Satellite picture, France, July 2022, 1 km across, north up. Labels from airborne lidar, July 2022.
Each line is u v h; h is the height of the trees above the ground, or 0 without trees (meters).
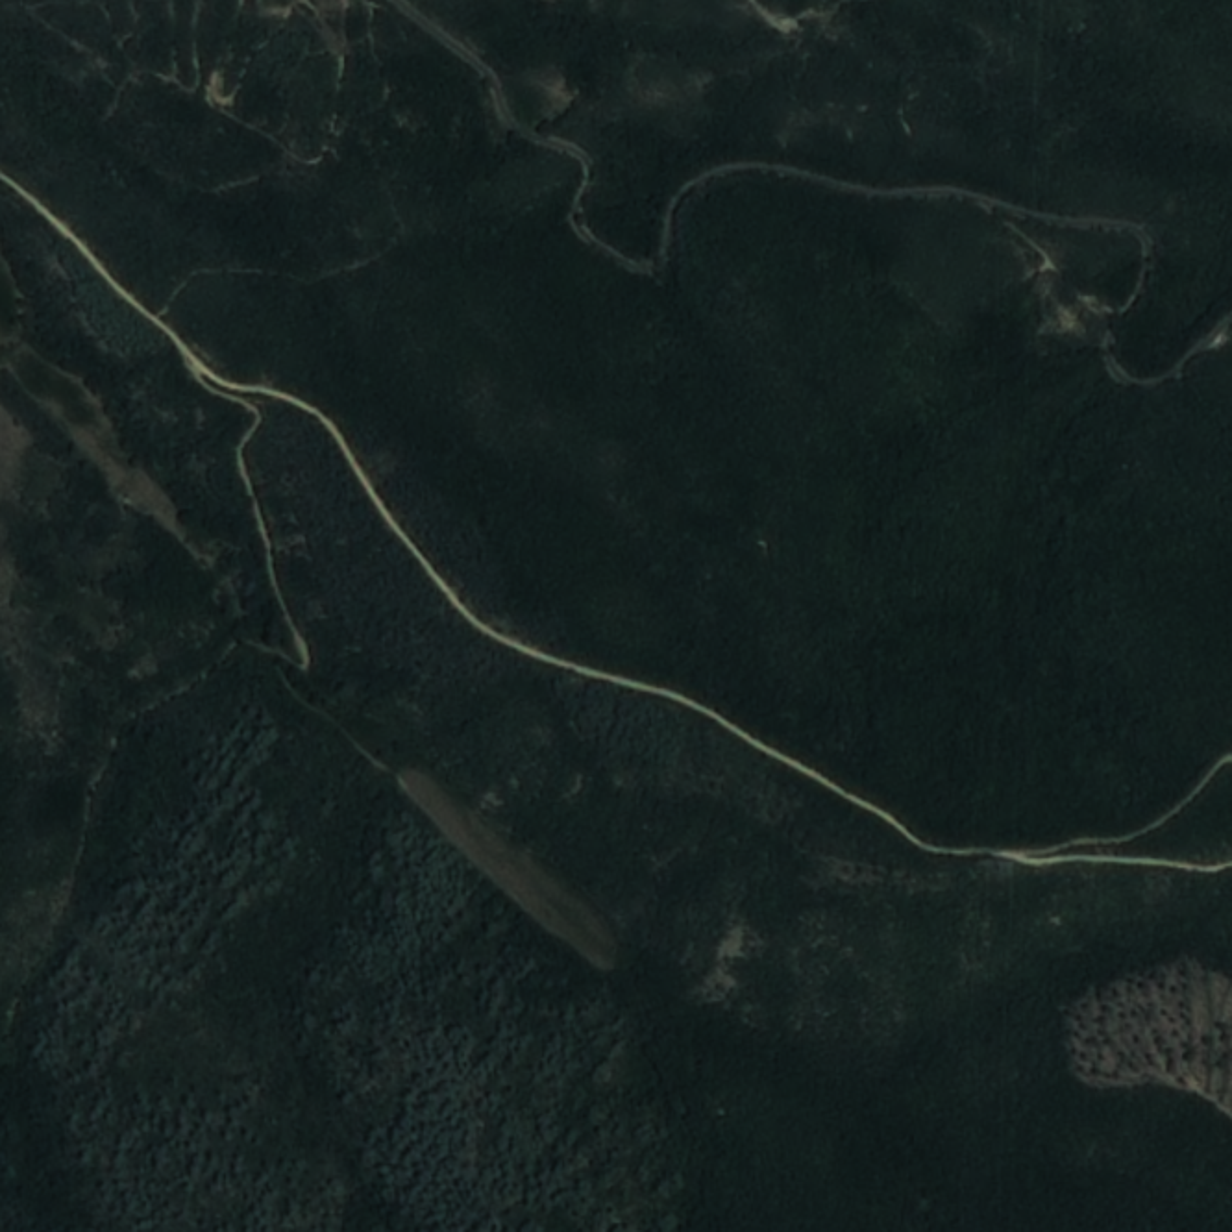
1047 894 6
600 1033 9
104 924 9
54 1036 14
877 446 12
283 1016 9
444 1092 12
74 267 8
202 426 7
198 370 0
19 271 14
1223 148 9
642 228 12
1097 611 5
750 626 6
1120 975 10
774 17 0
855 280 7
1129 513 6
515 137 14
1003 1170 6
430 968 11
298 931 7
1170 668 5
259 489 9
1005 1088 5
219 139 7
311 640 6
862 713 10
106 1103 13
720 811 8
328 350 8
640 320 9
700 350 7
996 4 7
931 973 13
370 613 9
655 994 9
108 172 10
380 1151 14
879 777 8
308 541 6
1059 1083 6
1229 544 6
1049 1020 5
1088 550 6
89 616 0
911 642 14
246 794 20
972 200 9
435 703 6
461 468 9
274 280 7
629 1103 6
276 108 6
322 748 11
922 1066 8
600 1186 7
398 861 13
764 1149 7
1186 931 7
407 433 9
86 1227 8
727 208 7
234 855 13
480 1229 16
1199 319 11
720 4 0
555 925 0
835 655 11
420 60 8
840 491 8
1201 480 6
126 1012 13
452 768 5
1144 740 12
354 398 7
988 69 6
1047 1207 9
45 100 8
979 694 17
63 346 8
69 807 6
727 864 9
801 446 6
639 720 9
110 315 9
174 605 9
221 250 8
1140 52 6
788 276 8
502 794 6
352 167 7
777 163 6
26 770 6
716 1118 7
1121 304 8
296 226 7
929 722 10
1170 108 7
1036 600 13
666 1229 18
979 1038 6
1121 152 10
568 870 7
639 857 9
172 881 12
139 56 6
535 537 7
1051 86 8
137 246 6
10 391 7
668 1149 10
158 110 6
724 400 8
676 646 12
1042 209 8
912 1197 9
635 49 8
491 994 14
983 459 7
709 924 6
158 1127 7
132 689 6
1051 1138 7
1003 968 7
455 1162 14
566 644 11
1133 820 8
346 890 9
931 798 10
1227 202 12
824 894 6
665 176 11
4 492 0
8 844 6
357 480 10
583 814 8
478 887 11
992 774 13
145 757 6
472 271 8
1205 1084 0
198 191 8
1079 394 9
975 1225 7
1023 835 6
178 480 6
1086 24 6
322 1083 8
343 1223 8
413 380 6
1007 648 14
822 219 7
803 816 6
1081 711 7
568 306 6
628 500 6
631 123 6
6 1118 22
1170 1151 6
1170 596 6
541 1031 5
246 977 7
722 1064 8
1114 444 8
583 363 5
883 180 6
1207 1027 0
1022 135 8
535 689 6
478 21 6
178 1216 13
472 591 8
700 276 6
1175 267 7
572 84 10
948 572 7
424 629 9
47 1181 10
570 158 6
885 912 6
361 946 10
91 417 0
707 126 8
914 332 6
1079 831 5
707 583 6
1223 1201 7
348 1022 13
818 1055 7
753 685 6
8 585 0
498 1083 14
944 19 7
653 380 7
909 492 9
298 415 9
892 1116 10
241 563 14
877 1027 7
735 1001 9
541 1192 14
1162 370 5
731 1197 6
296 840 15
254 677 9
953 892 7
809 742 8
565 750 7
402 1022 12
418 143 7
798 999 6
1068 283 9
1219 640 6
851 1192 9
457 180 8
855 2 6
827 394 5
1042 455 16
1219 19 7
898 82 6
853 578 11
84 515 7
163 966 10
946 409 7
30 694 0
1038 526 13
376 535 8
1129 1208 12
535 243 10
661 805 8
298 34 8
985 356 12
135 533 6
